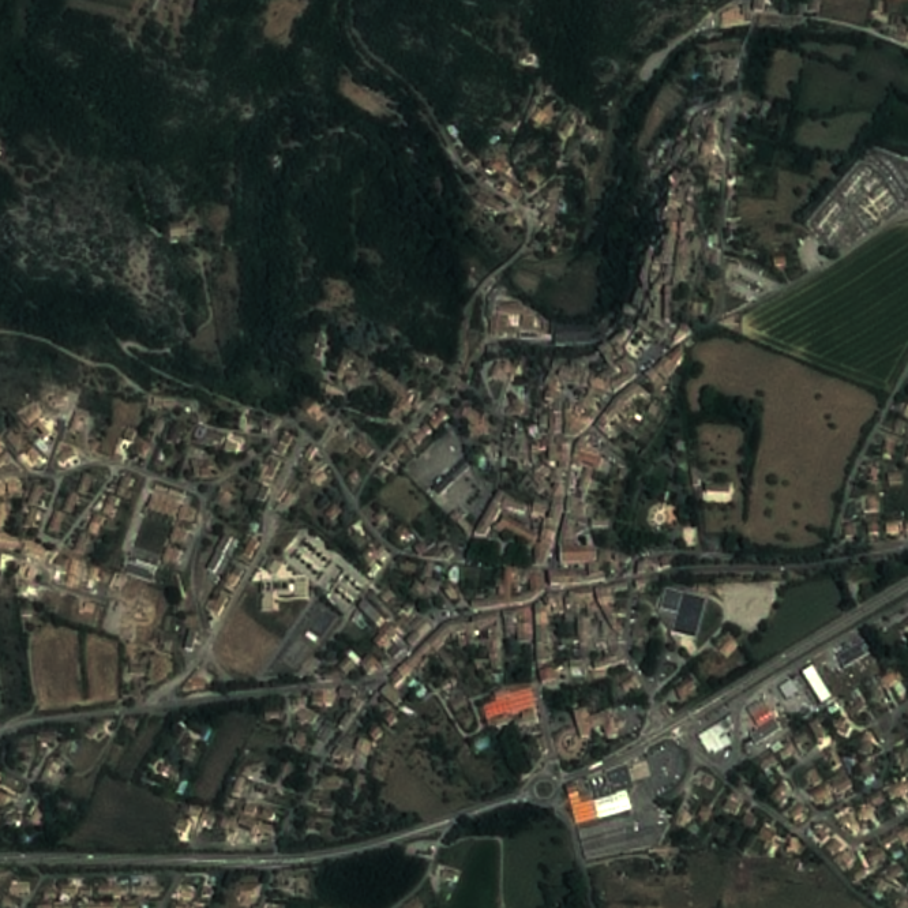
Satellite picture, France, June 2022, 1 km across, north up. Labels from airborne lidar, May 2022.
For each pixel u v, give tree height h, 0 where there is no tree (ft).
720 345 0
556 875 0
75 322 29
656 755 0
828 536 21
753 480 46
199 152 27
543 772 0
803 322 0
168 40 26
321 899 27
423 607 43
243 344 32
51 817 30
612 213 62
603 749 46
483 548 41
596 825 0
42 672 0
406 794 0
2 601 0
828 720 23
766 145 21
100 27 29
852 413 0
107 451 0
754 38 26
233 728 0
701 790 0
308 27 29
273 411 27
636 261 25
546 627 0
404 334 20
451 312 37
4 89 30
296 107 38
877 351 0
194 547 0
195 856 0
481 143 31
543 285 0
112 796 0
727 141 0
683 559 52
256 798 0
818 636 0
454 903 0
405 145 29
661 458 0
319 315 40
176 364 40
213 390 27
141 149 37
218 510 27
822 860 18
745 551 43
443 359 21
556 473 0
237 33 22
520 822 26
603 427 0
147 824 0
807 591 0
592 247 37
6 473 0
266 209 30
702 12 18
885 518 22
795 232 0
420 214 62
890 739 0
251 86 24
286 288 26
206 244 32
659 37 22
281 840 43
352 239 26
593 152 34
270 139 30
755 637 43
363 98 0
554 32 19
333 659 45
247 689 30
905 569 0
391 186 47
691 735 0
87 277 20
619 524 41
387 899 33
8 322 21
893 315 0
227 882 50
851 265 0
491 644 0
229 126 25
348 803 25
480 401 38
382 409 22
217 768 0
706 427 0
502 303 0
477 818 22
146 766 18
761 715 0
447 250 99
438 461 0
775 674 0
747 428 41
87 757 0
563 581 0
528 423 22
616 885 0
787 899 0
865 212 0
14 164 20
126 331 27
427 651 0
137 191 29
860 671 0
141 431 28
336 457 27
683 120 24
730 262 0
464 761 0
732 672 36
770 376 0
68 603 0
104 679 0
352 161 19
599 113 30
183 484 0
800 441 0
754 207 0
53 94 37
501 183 19
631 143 26
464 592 38
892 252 0
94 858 0
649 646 38
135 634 0
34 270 18
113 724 27
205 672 0
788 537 24
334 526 32
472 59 21
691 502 53
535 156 35
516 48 33
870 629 66
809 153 41
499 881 0
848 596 48
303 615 0
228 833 0
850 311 0
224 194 27
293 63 28
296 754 17
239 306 25
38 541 20
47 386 0
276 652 0
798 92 25
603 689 22
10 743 31
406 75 21
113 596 0
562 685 24
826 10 0
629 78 25
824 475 0
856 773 33
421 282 20
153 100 22
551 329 0
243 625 0
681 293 29
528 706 0
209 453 28
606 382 0
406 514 0
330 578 0
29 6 19
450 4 31
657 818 0
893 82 28
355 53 24
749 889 0
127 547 0
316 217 41
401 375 63
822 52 40
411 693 29
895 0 0
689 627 0
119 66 24
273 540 0
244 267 20
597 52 23
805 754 0
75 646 0
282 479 0
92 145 24
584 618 0
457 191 65
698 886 0
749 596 0
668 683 26
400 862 44
